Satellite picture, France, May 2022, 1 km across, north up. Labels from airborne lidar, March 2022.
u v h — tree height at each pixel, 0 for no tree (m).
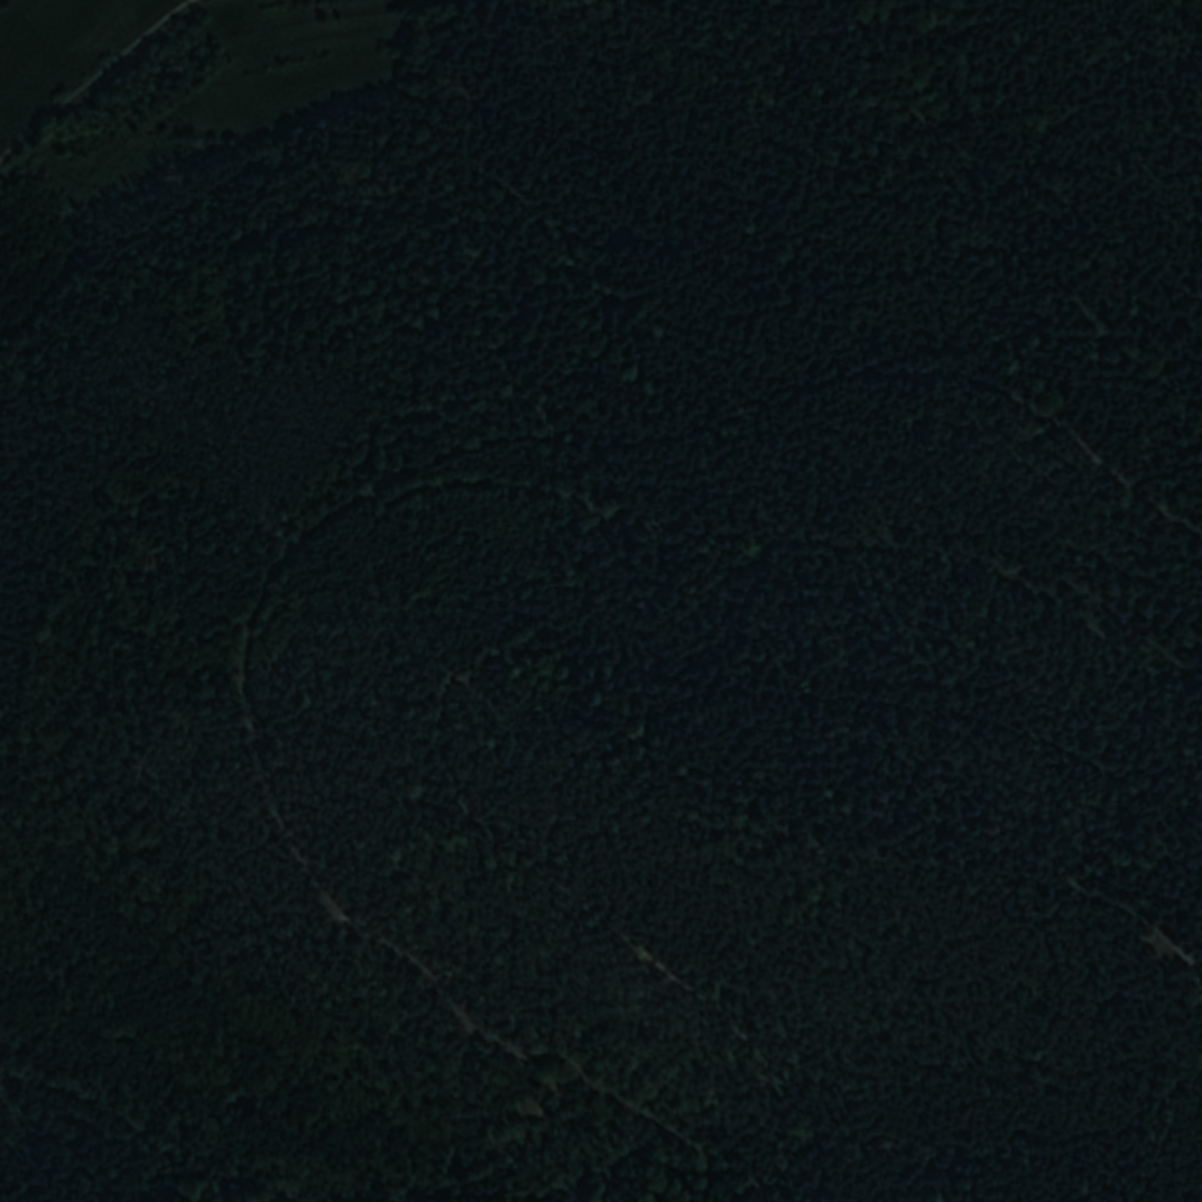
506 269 29
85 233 22
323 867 24
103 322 22
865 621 17
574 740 28
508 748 23
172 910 19
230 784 29
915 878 26
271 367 26
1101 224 32
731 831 16
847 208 33
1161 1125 25
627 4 22
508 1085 12
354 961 13
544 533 8
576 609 20
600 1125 12
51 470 25
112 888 21
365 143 29
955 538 26
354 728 23
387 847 23
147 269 18
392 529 13
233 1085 22
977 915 24
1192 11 18
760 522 31
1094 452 24
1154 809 26
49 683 20
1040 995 7
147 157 0
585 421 36
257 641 8
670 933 20
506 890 23
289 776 24
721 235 32
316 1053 21
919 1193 27
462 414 27
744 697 27
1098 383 23
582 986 28
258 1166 15
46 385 26
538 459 19
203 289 26
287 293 32
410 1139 18
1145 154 32
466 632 19
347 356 26
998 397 25
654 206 24
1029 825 15
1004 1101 23
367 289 27
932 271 25
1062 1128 25
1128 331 33
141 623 17
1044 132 6
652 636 25
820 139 30
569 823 26
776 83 30
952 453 29
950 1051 28
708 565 24
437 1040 27
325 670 26
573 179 33
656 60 27
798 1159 32
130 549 18
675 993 14
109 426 24
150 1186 19
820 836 20
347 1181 16
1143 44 23
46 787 20
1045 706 28
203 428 21
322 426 25
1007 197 30
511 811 27
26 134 0
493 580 16
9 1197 27
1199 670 35
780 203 30
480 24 32
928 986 21
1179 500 27
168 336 23
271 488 23
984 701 26
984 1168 29
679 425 30
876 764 26
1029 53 26
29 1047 21
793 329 30
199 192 29
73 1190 31
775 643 29
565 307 33
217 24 0
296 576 17
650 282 30
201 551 16
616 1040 28
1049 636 26
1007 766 27
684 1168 12
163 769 27
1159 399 32
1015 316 28
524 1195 13
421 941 25
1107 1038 24
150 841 14
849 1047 22
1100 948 27
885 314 28
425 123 32
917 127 28
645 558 30
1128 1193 14
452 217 28
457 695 8
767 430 18
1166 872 29
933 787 29
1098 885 13
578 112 31
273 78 0
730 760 26
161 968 23
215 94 0
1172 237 27
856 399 25
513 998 28
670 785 21
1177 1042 23
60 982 12
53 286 18
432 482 12
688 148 27
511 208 30
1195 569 27
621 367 27
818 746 32
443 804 24
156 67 18
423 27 19
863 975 26
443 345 32
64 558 25
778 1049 30
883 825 19
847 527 30
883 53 27
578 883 26
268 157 26
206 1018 22
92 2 0
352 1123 15
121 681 19
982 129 33
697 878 21
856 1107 28
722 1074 8
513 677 17
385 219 28
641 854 22
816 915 7
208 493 14
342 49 0
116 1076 22
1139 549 21
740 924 24
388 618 9
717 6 24
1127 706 18
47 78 0
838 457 23
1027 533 25
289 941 20
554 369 25
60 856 24
